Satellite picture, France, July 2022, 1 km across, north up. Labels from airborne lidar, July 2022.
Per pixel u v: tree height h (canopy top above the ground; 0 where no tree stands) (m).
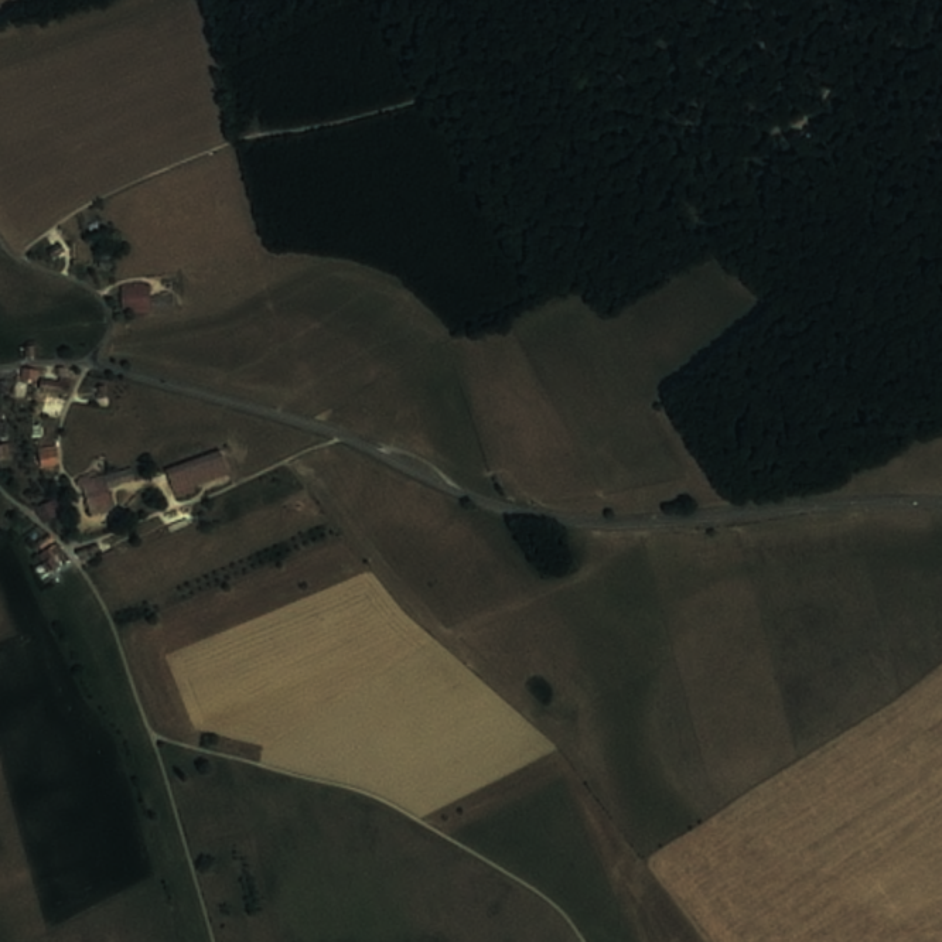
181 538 0
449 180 8
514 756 0
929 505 0
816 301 22
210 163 0
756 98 25
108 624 0
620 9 25
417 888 0
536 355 0
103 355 0
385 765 0
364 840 0
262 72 10
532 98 29
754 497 18
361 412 0
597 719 0
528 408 0
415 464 0
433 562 0
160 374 0
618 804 0
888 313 27
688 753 0
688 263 29
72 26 0
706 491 0
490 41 28
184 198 0
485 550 0
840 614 0
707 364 25
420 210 8
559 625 0
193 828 0
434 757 0
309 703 0
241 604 0
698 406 26
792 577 0
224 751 0
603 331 0
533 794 0
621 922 0
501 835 0
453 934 0
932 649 0
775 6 26
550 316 0
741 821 0
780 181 29
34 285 0
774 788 0
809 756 0
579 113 22
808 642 0
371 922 0
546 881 0
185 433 0
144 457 9
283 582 0
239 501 0
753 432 30
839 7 29
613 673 0
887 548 0
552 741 0
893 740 0
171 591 0
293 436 0
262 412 0
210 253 0
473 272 9
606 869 0
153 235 0
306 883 0
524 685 0
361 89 9
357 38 10
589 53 28
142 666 0
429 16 20
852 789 0
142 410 0
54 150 0
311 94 9
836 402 29
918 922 0
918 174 29
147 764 0
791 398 27
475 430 0
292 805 0
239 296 0
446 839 0
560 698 0
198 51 0
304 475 0
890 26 26
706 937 0
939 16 26
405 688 0
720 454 28
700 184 30
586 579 0
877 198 25
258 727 0
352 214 8
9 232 0
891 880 0
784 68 25
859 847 0
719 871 0
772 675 0
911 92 30
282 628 0
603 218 29
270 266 0
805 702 0
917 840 0
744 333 22
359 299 0
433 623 0
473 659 0
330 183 9
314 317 0
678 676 0
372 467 0
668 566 0
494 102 25
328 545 0
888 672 0
